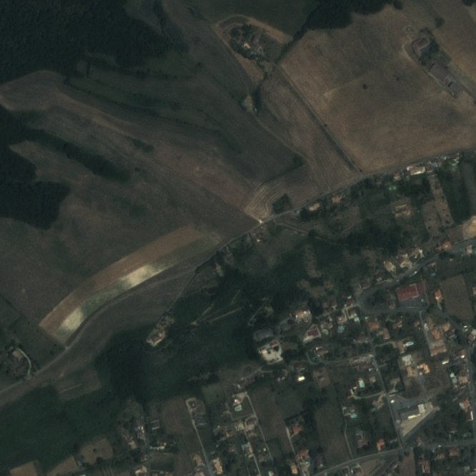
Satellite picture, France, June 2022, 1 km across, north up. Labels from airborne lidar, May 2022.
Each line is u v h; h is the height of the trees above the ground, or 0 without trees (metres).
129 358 19
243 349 6
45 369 0
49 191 22
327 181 0
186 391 7
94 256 0
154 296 0
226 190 0
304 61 0
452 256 7
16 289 0
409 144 0
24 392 0
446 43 0
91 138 0
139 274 0
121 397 12
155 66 0
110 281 0
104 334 0
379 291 10
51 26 24
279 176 0
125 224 0
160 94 0
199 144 0
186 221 0
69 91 0
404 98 0
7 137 17
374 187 9
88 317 0
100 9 27
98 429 7
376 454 0
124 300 0
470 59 0
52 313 0
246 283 7
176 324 9
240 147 0
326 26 12
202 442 0
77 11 17
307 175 0
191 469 0
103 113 0
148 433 8
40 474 0
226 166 0
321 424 0
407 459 0
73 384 0
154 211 0
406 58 0
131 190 0
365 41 0
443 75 0
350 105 0
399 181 7
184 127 0
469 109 0
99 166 8
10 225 0
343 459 0
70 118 0
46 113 0
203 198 0
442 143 0
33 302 0
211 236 0
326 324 0
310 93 0
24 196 26
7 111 8
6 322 0
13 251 0
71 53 21
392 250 8
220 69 0
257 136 0
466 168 0
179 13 0
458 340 7
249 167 0
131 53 24
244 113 0
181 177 0
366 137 0
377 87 0
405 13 0
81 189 0
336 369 0
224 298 9
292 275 6
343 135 0
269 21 0
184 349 8
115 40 28
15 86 0
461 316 0
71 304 0
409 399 0
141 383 10
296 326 7
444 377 0
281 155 0
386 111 0
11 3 17
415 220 5
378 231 10
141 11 0
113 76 0
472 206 0
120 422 8
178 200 0
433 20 0
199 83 0
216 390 0
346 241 6
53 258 0
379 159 0
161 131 0
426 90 0
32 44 18
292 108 0
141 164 0
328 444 0
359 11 20
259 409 0
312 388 8
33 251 0
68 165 0
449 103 0
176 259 0
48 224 20
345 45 0
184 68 0
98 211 0
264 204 0
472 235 0
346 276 11
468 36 0
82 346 0
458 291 0
